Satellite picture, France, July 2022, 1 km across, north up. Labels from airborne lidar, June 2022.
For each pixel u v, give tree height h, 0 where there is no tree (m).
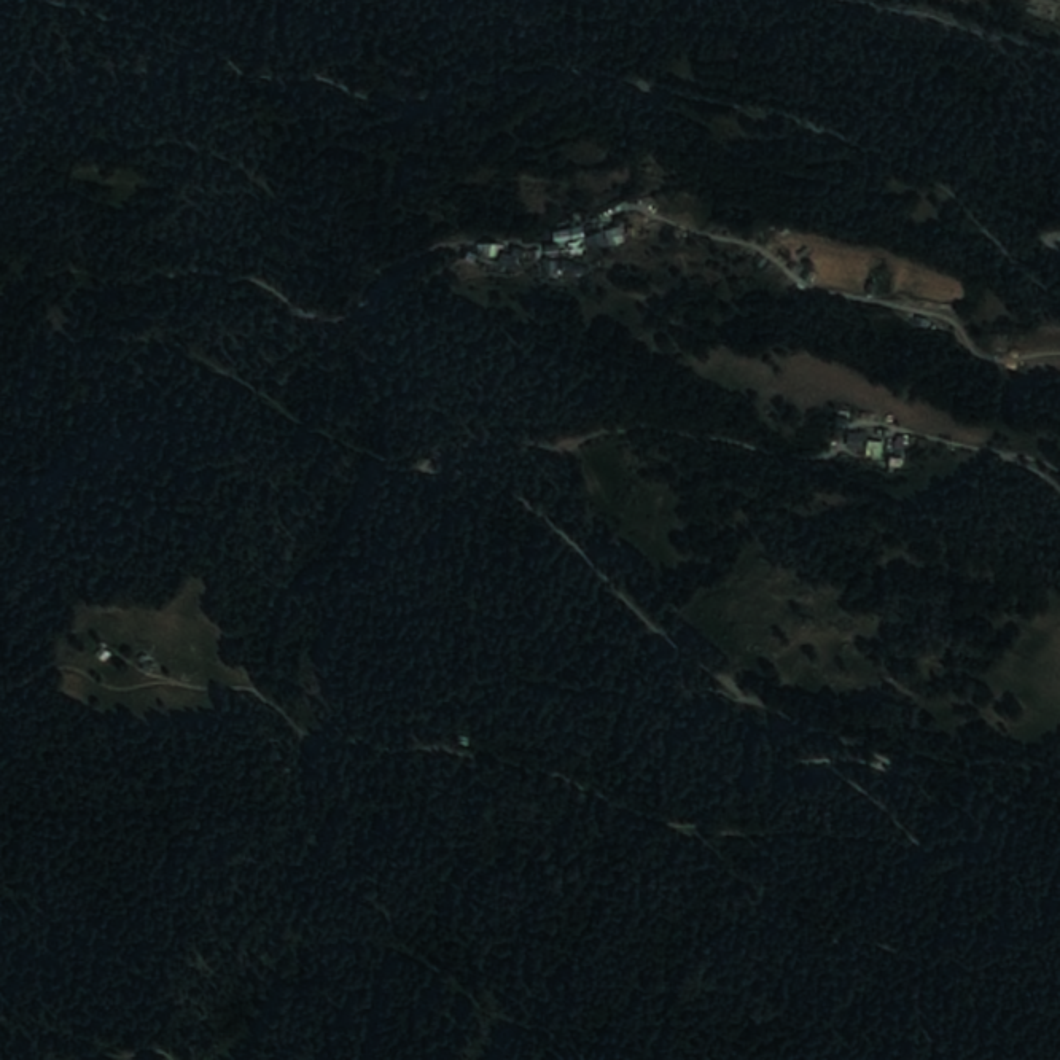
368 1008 11
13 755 18
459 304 12
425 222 16
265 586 8
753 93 8
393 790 17
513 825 21
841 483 20
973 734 15
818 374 0
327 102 24
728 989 27
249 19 36
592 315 0
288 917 26
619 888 23
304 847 38
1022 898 31
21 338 24
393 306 30
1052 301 11
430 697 27
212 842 29
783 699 25
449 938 16
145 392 8
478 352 26
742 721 13
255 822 25
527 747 18
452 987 8
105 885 22
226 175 27
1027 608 18
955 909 30
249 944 25
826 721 25
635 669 14
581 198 12
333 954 36
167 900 29
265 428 28
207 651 0
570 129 17
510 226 18
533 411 17
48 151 19
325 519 18
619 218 7
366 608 27
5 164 27
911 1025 38
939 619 28
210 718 7
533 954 31
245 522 25
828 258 0
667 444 10
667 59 24
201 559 27
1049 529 20
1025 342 0
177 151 17
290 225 24
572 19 13
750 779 6
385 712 17
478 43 29
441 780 29
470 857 23
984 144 27
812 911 17
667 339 14
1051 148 29
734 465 7
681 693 31
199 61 25
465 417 21
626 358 12
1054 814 20
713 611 0
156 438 18
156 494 27
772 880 29
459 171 22
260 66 38
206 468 15
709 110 20
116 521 34
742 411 16
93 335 12
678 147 20
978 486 21
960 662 21
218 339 24
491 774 15
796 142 18
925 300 0
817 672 0
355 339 13
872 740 16
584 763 22
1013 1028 30
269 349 28
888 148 28
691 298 13
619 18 16
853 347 16
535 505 37
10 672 21
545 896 26
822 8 18
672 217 0
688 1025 18
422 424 24
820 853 25
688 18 22
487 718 24
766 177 19
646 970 21
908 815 25
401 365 27
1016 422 23
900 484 9
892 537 12
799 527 27
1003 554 21
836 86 17
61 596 15
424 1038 15
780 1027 26
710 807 19
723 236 0
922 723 13
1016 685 0
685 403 18
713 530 16
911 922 7
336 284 25
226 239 21
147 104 28
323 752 31
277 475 28
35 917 25
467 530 30
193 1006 23
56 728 30
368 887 25
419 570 32
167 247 16
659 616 22
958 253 23
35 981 36
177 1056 20
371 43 19
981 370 11
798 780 13
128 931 27
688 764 31
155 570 27
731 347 20
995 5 13
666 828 28
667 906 30
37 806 22
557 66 17
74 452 32
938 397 20
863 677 0
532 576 23
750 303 13
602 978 30
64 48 16
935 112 33
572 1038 15
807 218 17
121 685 0
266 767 22
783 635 19
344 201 29
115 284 12
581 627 21
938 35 21
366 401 16
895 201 27
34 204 29
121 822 21
